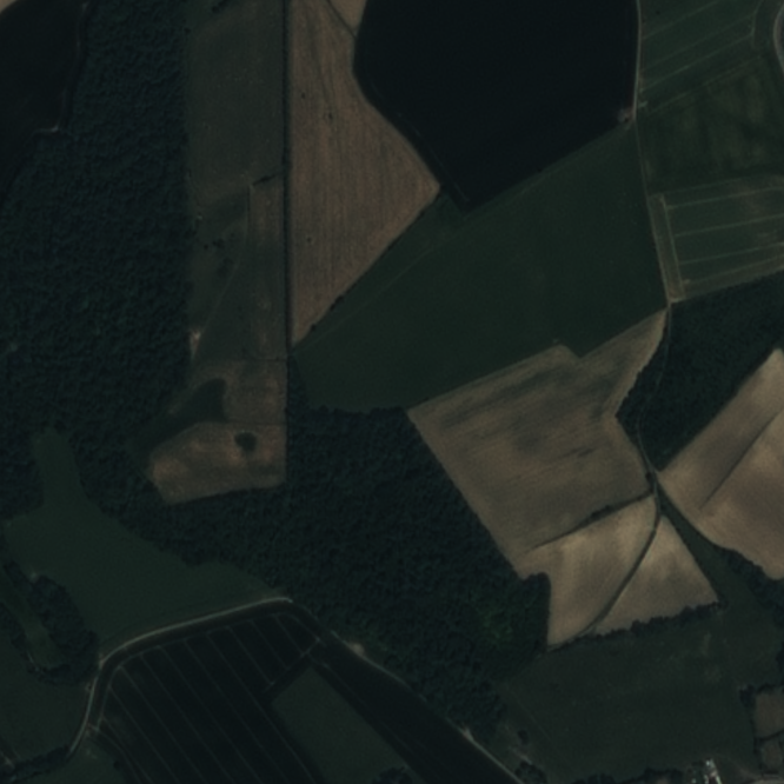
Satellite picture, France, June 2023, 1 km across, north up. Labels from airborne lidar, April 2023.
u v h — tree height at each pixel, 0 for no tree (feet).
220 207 0
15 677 0
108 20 50
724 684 0
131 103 75
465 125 0
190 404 0
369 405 0
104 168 66
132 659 0
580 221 0
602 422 0
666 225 0
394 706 0
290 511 22
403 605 69
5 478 82
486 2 0
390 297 0
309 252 0
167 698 0
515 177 0
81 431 62
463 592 64
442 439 0
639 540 0
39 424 56
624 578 0
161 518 50
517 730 0
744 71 0
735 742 0
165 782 0
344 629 42
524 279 0
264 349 0
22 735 0
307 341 0
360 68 0
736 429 0
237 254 0
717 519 0
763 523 0
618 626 0
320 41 0
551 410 0
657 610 0
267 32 0
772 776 0
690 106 0
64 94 0
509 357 0
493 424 0
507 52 0
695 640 0
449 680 49
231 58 0
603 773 0
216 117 0
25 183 39
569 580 0
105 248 49
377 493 83
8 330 65
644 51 0
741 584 0
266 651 0
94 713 0
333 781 0
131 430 49
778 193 0
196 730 0
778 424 0
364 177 0
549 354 0
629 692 0
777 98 0
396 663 17
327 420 44
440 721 0
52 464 0
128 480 24
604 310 0
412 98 0
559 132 0
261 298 0
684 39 0
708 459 0
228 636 0
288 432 18
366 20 0
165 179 77
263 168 0
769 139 0
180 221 51
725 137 0
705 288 0
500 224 0
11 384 53
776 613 57
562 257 0
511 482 0
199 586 0
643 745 0
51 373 48
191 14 0
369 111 0
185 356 60
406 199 0
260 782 0
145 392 45
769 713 0
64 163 62
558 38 0
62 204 68
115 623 0
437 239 0
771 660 0
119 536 0
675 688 0
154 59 46
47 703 0
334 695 0
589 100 0
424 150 0
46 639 0
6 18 0
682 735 0
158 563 0
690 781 0
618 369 0
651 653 0
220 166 0
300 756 0
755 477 0
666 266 0
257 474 0
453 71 0
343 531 57
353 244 0
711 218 0
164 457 0
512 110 0
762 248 0
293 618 0
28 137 0
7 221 30
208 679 0
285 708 0
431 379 0
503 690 0
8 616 30
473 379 0
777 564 0
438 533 67
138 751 0
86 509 0
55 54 0
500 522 0
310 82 0
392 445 61
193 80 0
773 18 0
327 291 0
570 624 0
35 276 85
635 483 0
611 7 0
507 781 0
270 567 47
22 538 0
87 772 0
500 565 78
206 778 0
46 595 65
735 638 0
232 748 0
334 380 0
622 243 0
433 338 0
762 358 20
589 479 0
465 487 0
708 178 0
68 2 0
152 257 63
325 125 0
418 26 0
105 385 64
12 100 0
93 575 0
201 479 0
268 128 0
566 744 0
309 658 0
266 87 0
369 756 0
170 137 54
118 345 51
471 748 0
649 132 0
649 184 0
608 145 0
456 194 0
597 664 0
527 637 64
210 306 0
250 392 0
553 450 0
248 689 0
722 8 0
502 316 0
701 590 0
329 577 41
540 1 0
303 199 0
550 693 0
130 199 73
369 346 0
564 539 0
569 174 0
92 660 33
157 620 0
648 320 0
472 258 0
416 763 0
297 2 0
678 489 0
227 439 0
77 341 31
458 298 0
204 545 40
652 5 0
